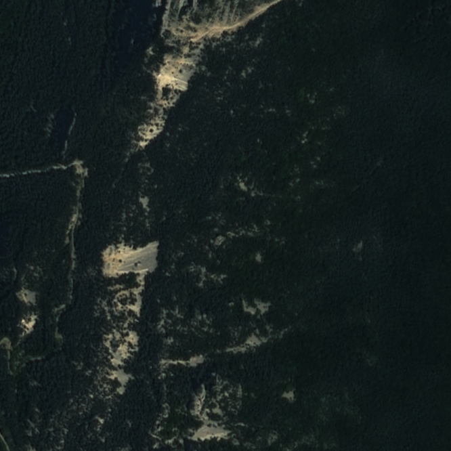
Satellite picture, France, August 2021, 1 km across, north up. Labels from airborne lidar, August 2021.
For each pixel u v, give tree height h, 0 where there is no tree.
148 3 15
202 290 13
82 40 16
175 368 12
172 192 9
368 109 11
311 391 7
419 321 13
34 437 11
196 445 11
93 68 16
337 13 6
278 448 7
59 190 13
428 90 9
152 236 8
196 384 10
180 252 8
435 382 13
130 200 7
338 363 8
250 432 12
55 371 15
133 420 10
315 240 6
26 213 8
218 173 12
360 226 8
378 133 11
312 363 8
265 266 9
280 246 10
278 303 7
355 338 11
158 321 6
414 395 13
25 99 17
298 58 6
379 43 9
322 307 10
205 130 8
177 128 7
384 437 10
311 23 8
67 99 15
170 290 12
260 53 11
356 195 14
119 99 10
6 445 0
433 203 15
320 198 10
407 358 19
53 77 13
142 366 12
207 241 8
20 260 9
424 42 18
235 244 11
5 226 10
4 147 15
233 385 8
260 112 9
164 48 9
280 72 7
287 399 12
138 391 13
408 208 13
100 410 9
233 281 8
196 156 8
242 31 8
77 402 6
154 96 7
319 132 15
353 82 6
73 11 11
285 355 9
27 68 27
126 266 0
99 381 7
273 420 8
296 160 7
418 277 9
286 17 12
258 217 18
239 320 10
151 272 7
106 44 7
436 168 10
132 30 10
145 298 11
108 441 16
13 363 9
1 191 14
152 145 11
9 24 23
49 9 13
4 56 24
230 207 17
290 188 6
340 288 9
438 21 21
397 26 17
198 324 14
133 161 12
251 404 11
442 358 23
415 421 13
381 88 8
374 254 7
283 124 15
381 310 14
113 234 9
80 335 7
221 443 9
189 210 8
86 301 11
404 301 13
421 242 14
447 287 11
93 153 10
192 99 12
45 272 9
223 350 7
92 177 10
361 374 13
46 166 9
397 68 7
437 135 12
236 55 6
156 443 17
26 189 17
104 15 11
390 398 14
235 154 15
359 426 9
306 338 9
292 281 6
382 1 8
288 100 8
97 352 7
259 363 19
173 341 27
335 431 5
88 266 9
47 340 20
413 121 12
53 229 8
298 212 14
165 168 8
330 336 6
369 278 7
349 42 16
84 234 8
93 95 19
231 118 11
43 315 7
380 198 12
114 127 11
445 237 13
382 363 9
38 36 18
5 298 11
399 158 14
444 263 16
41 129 10
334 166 8
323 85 7
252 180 6
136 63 10
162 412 6
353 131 9
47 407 17
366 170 12
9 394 8
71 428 13
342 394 8
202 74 6
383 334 14
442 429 17
